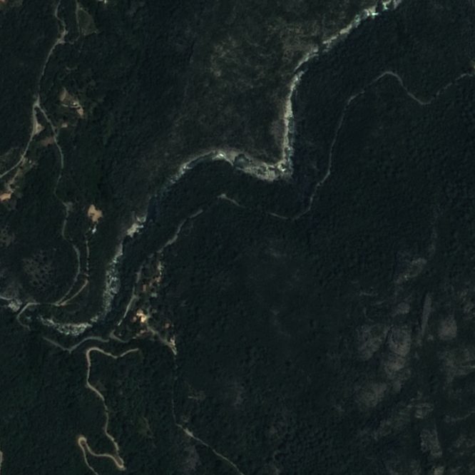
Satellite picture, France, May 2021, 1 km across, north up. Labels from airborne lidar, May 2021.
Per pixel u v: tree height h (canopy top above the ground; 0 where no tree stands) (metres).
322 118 6
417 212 11
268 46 9
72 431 12
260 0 5
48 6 6
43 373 17
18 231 10
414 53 13
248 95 11
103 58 11
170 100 9
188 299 6
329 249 7
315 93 6
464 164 13
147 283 10
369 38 8
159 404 23
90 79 12
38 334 18
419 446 10
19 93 14
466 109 16
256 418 12
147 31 11
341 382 7
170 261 10
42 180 16
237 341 9
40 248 12
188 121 10
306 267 6
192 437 7
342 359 8
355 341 8
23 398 17
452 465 7
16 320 15
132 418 9
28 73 10
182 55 11
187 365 6
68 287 20
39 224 16
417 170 9
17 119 6
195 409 12
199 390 6
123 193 8
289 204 6
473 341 6
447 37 10
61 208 11
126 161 9
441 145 7
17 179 6
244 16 10
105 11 12
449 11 9
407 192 10
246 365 6
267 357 9
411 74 8
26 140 7
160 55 12
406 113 7
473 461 6
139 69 10
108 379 16
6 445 7
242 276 6
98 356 6
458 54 6
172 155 10
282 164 0
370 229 6
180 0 12
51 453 11
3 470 12
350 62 11
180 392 9
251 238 9
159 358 10
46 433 18
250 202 13
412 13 6
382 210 7
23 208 15
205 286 11
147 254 6
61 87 12
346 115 6
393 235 12
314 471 18
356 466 14
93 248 9
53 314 10
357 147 6
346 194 10
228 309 11
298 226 11
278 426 9
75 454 13
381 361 7
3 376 10
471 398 10
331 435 9
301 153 8
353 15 10
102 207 14
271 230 10
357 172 8
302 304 6
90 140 19
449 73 8
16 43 9
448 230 6
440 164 6
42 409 11
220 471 11
